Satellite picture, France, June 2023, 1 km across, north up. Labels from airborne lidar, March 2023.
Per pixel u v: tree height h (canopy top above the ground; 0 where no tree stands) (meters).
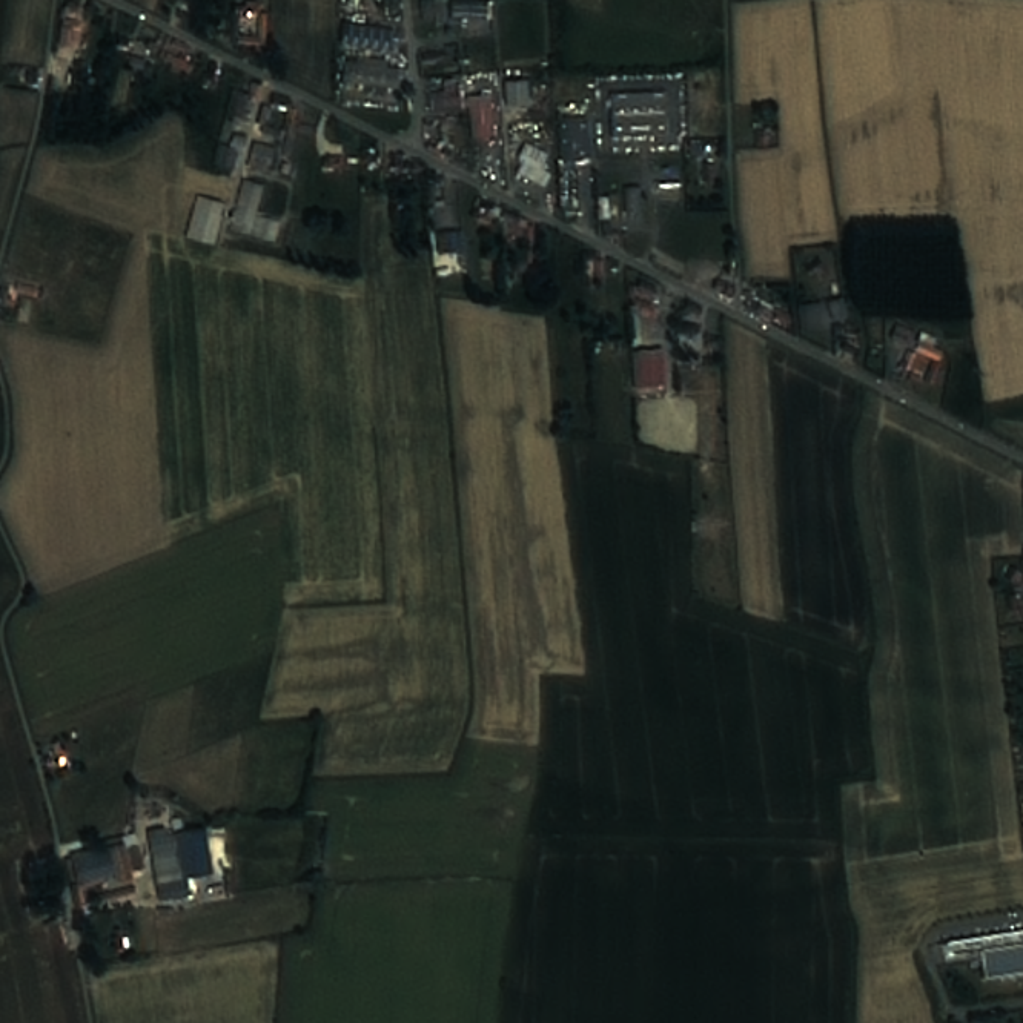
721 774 0
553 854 0
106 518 0
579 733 0
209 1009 0
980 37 0
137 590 0
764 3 0
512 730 0
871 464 0
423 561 0
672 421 0
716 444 0
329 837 0
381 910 0
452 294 0
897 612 0
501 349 0
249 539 0
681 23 0
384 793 0
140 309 0
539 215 0
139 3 0
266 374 0
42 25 0
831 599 0
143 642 0
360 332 0
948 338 0
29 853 0
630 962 0
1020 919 0
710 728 0
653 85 0
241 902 0
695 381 0
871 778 0
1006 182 0
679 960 0
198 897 0
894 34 0
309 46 0
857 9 0
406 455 0
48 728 0
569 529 0
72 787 0
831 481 0
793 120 0
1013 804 0
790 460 0
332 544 0
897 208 0
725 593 0
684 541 0
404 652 0
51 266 0
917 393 0
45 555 0
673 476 0
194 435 0
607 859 0
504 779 0
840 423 0
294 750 0
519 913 0
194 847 0
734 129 0
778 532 0
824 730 0
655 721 0
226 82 0
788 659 0
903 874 0
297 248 0
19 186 0
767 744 0
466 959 0
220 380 0
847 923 0
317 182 0
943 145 0
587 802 0
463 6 0
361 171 0
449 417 0
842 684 0
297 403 0
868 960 0
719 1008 0
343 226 17
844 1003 0
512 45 0
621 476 0
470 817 0
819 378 0
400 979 0
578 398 0
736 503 0
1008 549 0
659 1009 0
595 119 0
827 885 0
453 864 0
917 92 0
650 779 0
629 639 0
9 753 0
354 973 0
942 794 0
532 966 0
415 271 0
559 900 0
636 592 0
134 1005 0
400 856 0
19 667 0
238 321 0
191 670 0
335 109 0
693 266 0
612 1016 0
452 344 0
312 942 0
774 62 0
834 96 0
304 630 0
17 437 0
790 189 0
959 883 0
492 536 0
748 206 0
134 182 0
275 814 6
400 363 0
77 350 0
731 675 0
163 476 0
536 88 0
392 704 0
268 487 0
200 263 0
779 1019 0
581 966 0
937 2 0
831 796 0
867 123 0
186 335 0
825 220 0
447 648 0
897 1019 0
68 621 0
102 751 0
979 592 0
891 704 0
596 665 0
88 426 0
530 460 0
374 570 0
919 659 0
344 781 0
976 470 0
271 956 0
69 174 0
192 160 0
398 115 0
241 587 0
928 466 0
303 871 0
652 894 0
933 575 0
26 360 0
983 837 0
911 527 0
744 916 0
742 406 0
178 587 0
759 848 0
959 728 0
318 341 0
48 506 0
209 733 0
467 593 0
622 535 0
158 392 0
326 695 0
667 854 0
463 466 0
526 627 0
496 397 0
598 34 0
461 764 0
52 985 0
